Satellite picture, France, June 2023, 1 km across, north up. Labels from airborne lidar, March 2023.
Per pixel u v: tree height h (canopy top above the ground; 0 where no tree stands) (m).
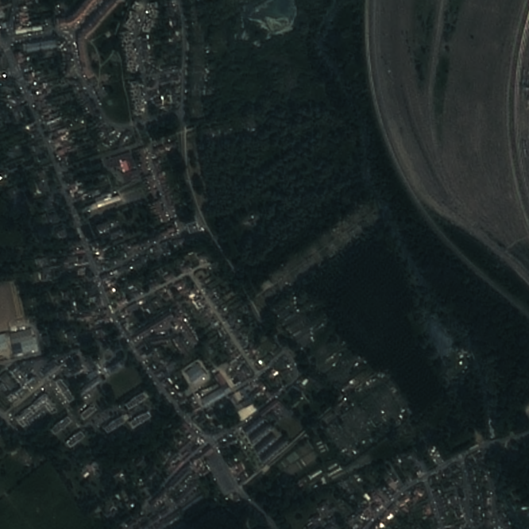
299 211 22
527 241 0
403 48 0
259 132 18
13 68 0
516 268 0
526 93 0
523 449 18
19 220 18
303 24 21
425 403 24
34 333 0
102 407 10
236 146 15
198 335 10
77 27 0
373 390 8
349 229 0
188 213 19
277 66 8
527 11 0
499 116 0
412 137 0
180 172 6
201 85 0
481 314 33
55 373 0
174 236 0
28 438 18
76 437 0
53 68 10
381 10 0
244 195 20
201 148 10
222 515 30
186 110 11
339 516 13
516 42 0
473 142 0
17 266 14
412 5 0
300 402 0
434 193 0
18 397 0
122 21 12
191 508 10
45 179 0
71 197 0
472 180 0
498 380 7
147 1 0
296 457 0
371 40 0
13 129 10
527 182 0
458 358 0
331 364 0
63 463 11
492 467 13
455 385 8
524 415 20
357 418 0
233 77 8
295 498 24
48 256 8
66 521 0
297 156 15
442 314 14
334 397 8
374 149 16
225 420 20
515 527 12
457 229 7
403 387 22
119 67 0
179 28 6
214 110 14
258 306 0
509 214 0
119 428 15
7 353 0
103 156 0
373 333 25
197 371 0
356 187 16
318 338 0
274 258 11
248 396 0
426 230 14
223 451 6
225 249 30
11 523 0
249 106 19
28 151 15
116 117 0
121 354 14
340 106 23
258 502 13
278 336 0
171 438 11
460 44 0
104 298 0
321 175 18
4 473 11
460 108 0
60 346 17
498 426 23
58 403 0
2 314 0
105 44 8
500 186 0
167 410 11
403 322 21
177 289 11
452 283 31
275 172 18
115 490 11
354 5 6
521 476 16
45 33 0
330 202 18
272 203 17
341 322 24
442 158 0
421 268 18
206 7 14
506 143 0
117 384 0
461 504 0
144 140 14
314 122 7
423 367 27
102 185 0
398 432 22
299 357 10
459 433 6
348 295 21
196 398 0
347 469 0
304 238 15
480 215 0
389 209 10
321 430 8
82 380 10
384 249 24
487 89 0
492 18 0
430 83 0
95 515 0
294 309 0
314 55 7
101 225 0
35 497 0
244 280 21
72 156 13
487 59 0
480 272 0
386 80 0
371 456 0
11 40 0
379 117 0
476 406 24
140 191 0
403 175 0
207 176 19
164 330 0
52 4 6
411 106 0
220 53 0
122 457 20
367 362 6
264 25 0
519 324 15
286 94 6
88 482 9
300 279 14
